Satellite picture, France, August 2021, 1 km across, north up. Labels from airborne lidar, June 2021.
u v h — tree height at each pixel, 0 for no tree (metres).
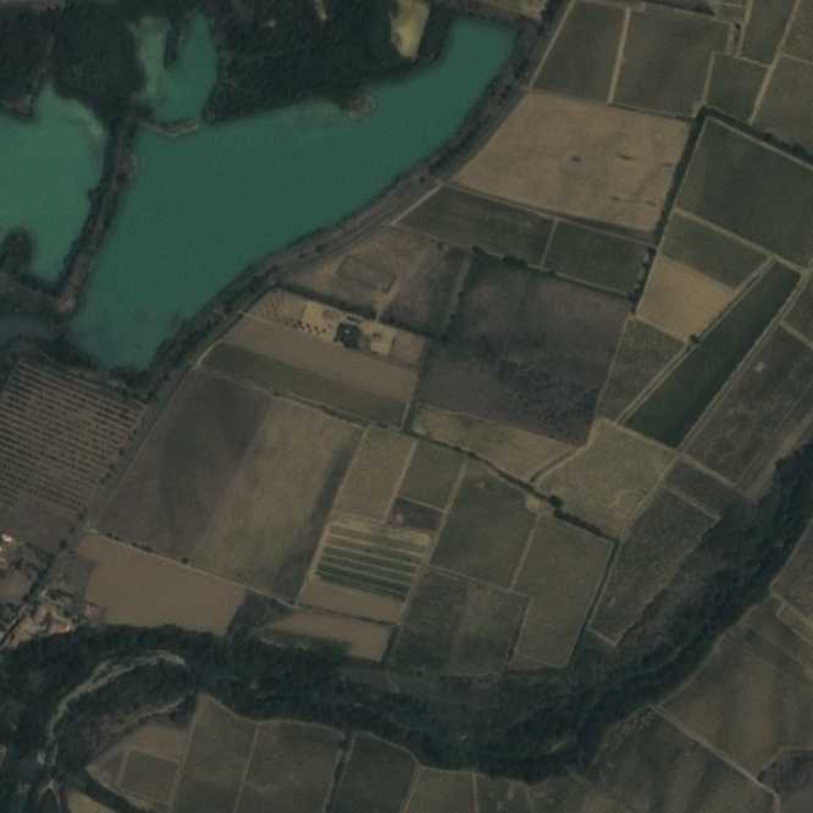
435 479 0
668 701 0
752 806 0
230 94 12
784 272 0
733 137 0
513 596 0
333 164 0
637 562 0
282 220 0
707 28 0
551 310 0
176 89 0
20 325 0
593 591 0
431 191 0
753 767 0
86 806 0
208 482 0
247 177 0
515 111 0
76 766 7
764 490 0
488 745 8
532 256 0
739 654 0
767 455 0
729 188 0
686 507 0
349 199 0
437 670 0
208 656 20
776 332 0
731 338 0
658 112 0
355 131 0
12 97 8
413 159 0
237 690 19
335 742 0
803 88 0
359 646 0
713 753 0
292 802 0
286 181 0
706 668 0
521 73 9
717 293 0
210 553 0
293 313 0
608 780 0
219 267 0
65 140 0
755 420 0
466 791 0
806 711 0
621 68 0
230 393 0
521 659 0
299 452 0
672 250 0
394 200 0
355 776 0
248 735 0
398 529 0
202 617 0
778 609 0
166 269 0
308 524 0
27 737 20
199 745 0
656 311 0
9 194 0
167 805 0
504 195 0
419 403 0
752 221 0
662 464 0
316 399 0
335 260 0
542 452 0
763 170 0
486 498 0
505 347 0
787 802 0
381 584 0
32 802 6
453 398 0
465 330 0
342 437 0
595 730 19
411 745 7
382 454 0
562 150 0
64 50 10
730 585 21
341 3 7
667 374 0
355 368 0
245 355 0
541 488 0
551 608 0
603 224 0
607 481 0
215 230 0
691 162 0
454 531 0
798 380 0
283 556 0
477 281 0
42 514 0
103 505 0
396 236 0
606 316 0
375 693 7
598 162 0
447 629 0
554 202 0
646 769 0
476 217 0
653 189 0
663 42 0
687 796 0
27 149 0
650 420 0
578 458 0
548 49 0
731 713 0
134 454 0
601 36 0
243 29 10
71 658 11
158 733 0
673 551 0
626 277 0
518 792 0
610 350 0
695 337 9
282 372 0
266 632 0
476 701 0
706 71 0
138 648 0
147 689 8
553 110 0
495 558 0
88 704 9
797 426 0
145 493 0
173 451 0
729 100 0
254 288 9
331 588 0
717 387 0
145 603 0
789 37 0
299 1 8
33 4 0
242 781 0
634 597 0
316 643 0
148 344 0
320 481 0
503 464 0
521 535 0
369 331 0
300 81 8
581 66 0
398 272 0
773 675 0
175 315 0
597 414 0
